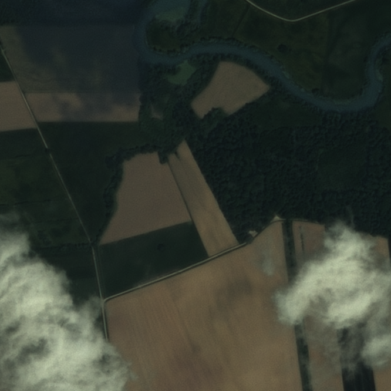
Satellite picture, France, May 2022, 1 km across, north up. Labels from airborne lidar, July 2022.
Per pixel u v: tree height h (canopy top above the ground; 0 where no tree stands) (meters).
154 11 0
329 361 0
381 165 25
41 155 0
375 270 0
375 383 0
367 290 0
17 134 0
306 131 16
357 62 0
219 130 23
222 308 0
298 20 0
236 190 22
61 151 0
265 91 0
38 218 0
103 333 0
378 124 18
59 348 0
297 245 0
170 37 0
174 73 17
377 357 0
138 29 0
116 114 0
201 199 0
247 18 0
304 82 0
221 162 27
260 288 0
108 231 0
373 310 0
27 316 0
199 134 7
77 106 0
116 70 0
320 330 0
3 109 0
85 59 0
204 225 0
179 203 0
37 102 0
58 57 0
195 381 0
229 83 0
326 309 0
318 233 0
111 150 0
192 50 0
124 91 0
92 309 0
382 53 16
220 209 8
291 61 0
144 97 14
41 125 0
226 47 0
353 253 0
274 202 28
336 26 0
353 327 0
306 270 0
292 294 0
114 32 0
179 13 0
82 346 0
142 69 18
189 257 0
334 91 0
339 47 0
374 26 0
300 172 13
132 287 0
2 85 0
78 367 0
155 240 0
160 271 0
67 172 0
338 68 0
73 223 0
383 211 19
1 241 0
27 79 0
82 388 0
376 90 0
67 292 0
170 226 0
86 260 0
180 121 27
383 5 0
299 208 18
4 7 11
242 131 18
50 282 0
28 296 0
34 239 0
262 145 7
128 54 0
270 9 0
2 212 0
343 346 0
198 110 0
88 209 0
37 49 0
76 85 0
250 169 9
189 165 0
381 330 0
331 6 0
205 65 20
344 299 0
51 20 6
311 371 0
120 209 0
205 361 0
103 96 0
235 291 0
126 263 0
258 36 0
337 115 16
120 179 11
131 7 11
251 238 19
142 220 0
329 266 0
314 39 0
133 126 0
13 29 0
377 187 23
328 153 7
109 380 0
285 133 7
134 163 0
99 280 0
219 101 0
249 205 32
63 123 0
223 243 0
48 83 0
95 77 0
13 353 0
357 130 11
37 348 0
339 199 25
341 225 22
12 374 0
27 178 0
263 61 0
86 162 0
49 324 0
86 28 0
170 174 0
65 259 0
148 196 0
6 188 0
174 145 10
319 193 6
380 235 20
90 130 0
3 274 0
